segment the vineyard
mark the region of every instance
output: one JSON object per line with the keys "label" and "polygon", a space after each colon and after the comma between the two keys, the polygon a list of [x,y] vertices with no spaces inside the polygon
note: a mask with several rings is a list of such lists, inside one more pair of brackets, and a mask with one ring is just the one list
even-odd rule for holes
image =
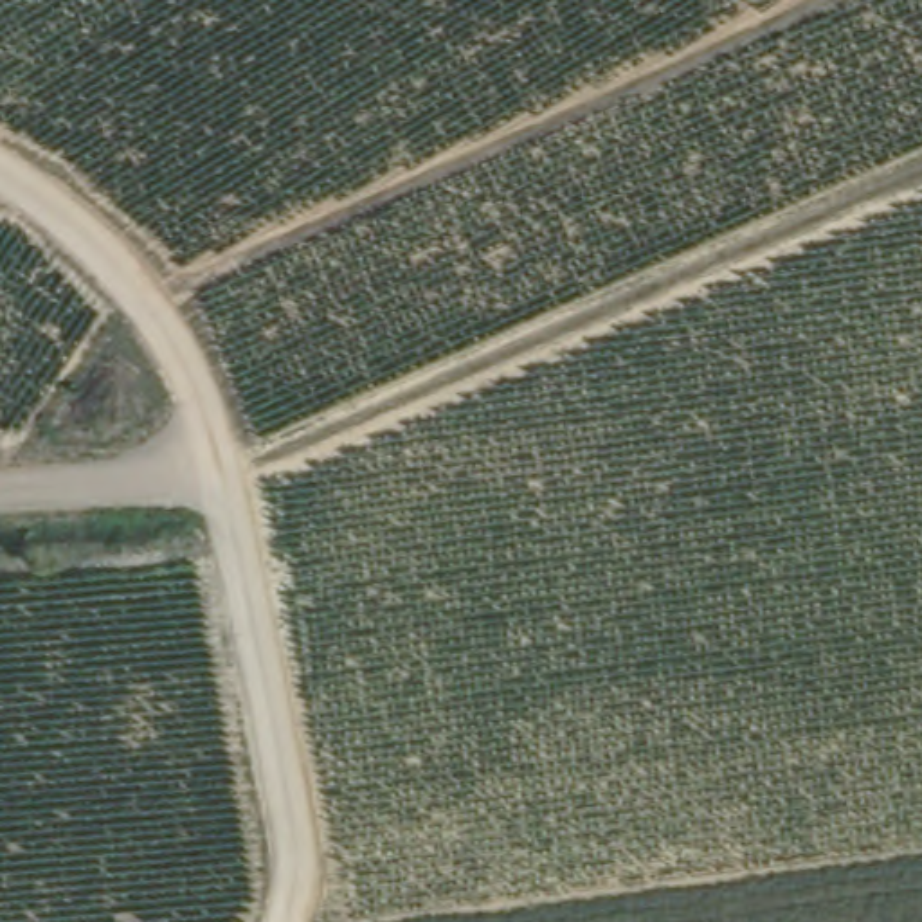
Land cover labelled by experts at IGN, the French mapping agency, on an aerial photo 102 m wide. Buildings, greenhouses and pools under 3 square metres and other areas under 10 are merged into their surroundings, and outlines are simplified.
{"label": "vineyard", "polygon": [[126,450],[151,443],[155,432],[166,429],[173,418],[169,389],[151,353],[137,339],[137,328],[119,310],[115,295],[50,238],[47,227],[25,220],[22,209],[0,198],[0,472],[119,461]]}
{"label": "vineyard", "polygon": [[0,922],[263,922],[274,886],[270,828],[256,789],[245,735],[245,666],[238,659],[223,573],[205,522],[191,537],[162,537],[148,547],[122,551],[108,551],[101,544],[29,547],[18,558],[0,551]]}
{"label": "vineyard", "polygon": [[832,864],[868,864],[922,854],[922,0],[0,0],[0,148],[18,155],[43,176],[58,180],[90,216],[108,223],[151,270],[155,288],[184,317],[194,342],[202,346],[209,371],[220,385],[220,396],[227,403],[231,425],[241,439],[241,450],[263,479],[259,490],[270,519],[270,547],[292,573],[292,583],[285,587],[281,601],[331,839],[331,846],[317,854],[310,922],[403,922],[425,915],[511,911],[533,904],[591,900],[670,886],[710,886],[749,875],[814,872]]}

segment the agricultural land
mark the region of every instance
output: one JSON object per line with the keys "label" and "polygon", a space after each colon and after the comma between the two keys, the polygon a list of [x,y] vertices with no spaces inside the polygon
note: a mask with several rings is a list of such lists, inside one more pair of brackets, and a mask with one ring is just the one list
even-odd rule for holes
{"label": "agricultural land", "polygon": [[591,900],[533,904],[511,911],[425,915],[403,922],[922,922],[922,854],[868,864],[832,864],[814,872],[749,875],[710,886],[670,886]]}

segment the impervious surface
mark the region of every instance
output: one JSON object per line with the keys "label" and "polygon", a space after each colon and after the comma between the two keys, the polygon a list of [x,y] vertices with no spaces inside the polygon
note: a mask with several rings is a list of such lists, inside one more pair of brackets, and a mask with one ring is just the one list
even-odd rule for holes
{"label": "impervious surface", "polygon": [[155,432],[151,443],[126,450],[119,461],[0,472],[0,515],[86,508],[187,508],[202,493],[202,483],[191,443],[173,418],[166,429]]}

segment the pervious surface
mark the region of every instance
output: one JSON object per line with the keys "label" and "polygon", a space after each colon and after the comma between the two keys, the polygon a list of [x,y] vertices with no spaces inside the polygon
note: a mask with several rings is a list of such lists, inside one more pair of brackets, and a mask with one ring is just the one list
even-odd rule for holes
{"label": "pervious surface", "polygon": [[119,310],[137,328],[137,339],[151,353],[169,389],[173,418],[191,443],[202,483],[202,493],[187,508],[202,511],[205,522],[223,573],[238,659],[245,666],[245,735],[256,789],[270,828],[274,886],[263,922],[310,922],[317,854],[331,846],[331,839],[281,601],[285,587],[292,583],[292,573],[270,547],[270,519],[259,490],[263,479],[241,450],[241,439],[231,425],[227,403],[220,396],[220,385],[209,371],[202,346],[194,342],[184,317],[155,288],[151,270],[108,223],[90,216],[58,180],[43,176],[18,155],[0,148],[0,198],[22,209],[25,220],[47,227],[50,238],[115,295]]}

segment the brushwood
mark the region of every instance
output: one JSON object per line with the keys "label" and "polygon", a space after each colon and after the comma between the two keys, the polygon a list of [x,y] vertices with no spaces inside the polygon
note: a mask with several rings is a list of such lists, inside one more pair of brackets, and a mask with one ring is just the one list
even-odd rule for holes
{"label": "brushwood", "polygon": [[122,551],[148,547],[162,537],[191,537],[205,522],[202,511],[187,508],[86,508],[0,515],[0,551],[18,558],[29,547],[101,544],[108,551]]}

